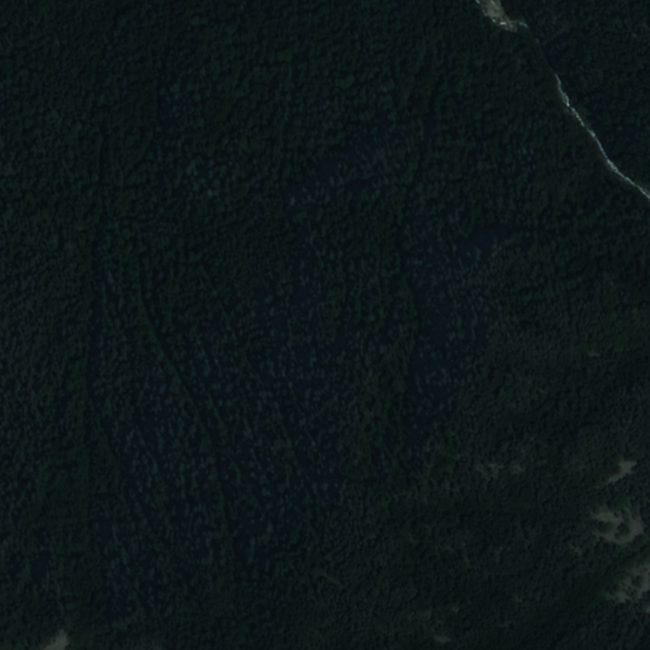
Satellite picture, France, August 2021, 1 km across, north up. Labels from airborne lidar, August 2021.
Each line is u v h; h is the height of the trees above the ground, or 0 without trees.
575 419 22
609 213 26
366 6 34
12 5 17
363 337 20
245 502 17
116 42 27
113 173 31
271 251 9
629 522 6
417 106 30
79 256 15
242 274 18
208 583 8
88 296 22
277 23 30
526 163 14
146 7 24
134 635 7
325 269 9
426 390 7
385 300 20
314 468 24
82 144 15
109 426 10
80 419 21
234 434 12
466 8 14
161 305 27
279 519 16
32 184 23
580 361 30
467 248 19
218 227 15
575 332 13
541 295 25
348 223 18
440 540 7
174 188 8
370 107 19
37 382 7
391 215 25
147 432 18
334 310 21
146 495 13
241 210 18
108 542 12
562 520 16
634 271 24
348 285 11
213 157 9
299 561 11
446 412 10
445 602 19
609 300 11
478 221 16
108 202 33
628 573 7
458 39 29
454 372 18
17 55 21
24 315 25
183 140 24
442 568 20
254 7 36
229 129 15
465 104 25
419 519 12
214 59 24
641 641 8
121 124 14
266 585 16
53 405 10
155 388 27
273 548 16
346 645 15
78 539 10
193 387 15
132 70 32
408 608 20
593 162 18
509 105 21
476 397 17
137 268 7
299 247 9
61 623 7
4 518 9
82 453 12
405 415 20
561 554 23
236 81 29
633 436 14
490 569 21
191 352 21
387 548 19
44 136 13
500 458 16
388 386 13
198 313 8
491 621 26
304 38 25
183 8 27
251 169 15
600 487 6
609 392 25
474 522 27
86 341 21
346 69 27
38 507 10
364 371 15
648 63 21
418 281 20
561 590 23
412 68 30
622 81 33
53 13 15
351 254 22
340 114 30
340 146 9
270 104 18
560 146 24
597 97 27
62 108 17
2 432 28
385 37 31
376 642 13
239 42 27
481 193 20
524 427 19
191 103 16
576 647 23
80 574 12
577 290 13
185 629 8
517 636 15
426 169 15
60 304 24
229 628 10
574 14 23
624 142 26
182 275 12
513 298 22
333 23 28
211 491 19
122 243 33
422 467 7
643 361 23
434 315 16
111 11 29
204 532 10
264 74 23
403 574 19
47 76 15
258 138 29
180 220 17
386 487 12
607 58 24
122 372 25
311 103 20
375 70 31
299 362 16
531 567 18
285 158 14
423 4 32
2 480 7
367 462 14
